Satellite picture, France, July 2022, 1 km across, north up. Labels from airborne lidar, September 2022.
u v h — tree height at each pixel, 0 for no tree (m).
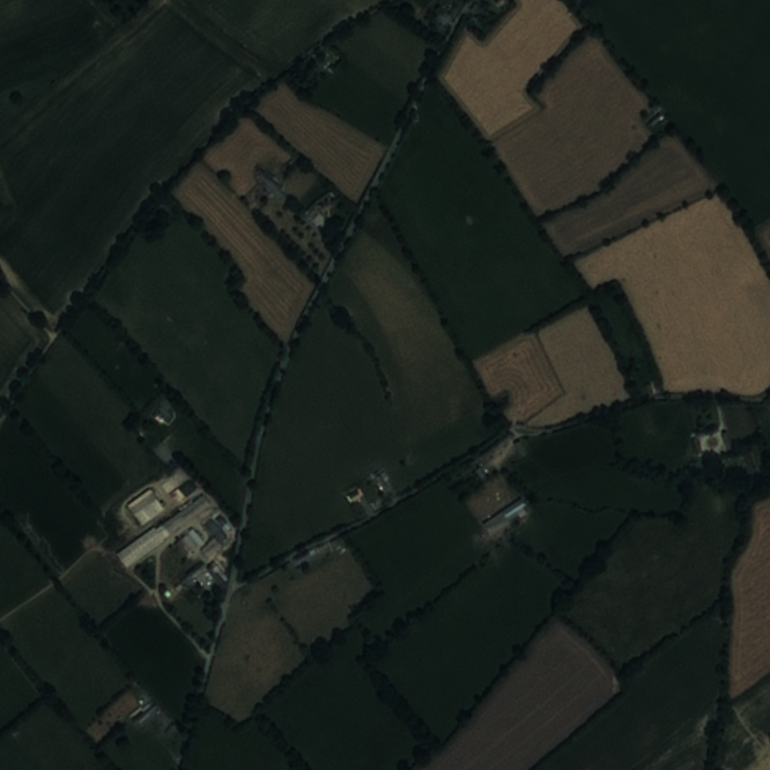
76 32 0
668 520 7
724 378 0
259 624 0
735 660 0
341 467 0
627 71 10
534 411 0
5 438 0
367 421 0
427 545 0
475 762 0
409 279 0
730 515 0
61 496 0
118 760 0
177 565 0
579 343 0
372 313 0
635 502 0
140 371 0
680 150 0
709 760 10
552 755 8
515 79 0
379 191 9
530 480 0
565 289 0
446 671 0
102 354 0
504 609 0
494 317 0
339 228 17
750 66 0
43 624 0
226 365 0
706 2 0
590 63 0
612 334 11
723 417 0
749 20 0
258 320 13
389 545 0
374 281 0
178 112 0
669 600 0
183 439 0
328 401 0
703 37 0
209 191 0
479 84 0
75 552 0
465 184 0
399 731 0
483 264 0
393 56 0
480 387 11
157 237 14
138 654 0
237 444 0
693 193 0
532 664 0
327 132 0
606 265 0
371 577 11
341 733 0
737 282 0
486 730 0
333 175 0
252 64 0
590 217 0
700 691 0
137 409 7
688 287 0
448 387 0
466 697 0
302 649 7
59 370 0
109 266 11
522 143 0
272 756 0
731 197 14
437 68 7
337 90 0
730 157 0
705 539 0
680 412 0
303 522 0
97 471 0
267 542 0
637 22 0
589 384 0
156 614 0
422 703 0
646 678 0
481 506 0
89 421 0
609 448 0
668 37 0
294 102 0
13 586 0
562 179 0
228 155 0
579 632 7
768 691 0
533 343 0
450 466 9
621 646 0
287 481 0
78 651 0
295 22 0
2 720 0
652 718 0
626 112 0
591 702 0
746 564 0
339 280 0
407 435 0
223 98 0
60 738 0
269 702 7
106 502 0
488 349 0
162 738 0
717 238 0
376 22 0
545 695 0
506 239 0
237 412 0
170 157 0
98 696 0
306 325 13
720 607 8
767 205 0
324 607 0
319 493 0
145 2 14
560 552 0
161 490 0
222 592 15
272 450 0
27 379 16
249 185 0
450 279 0
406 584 0
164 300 0
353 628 6
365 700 0
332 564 0
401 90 0
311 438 0
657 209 0
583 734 7
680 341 0
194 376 0
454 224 0
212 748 0
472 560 0
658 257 0
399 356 0
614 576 0
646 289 0
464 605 0
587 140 0
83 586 0
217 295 0
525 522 0
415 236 0
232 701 0
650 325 0
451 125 0
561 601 22
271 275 0
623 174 9
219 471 0
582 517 0
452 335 6
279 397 13
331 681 0
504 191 0
